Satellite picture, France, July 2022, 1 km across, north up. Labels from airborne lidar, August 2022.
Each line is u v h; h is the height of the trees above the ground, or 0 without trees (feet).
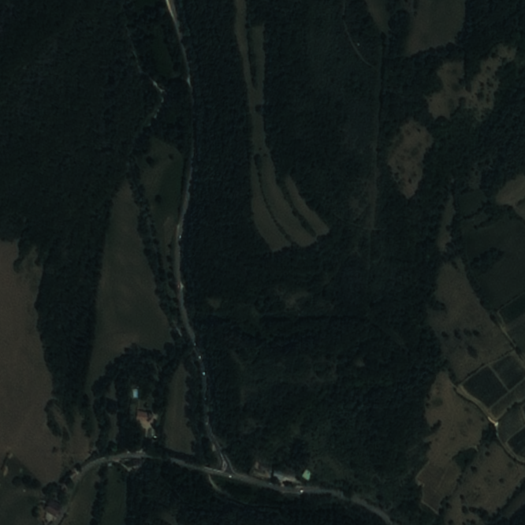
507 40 39
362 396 57
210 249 40
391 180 18
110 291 0
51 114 73
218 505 65
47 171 55
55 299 39
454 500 0
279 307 27
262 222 0
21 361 0
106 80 70
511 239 0
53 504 0
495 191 51
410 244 48
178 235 0
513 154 34
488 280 0
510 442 0
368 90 20
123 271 0
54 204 73
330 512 56
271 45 61
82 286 41
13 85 41
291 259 43
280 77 54
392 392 75
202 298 37
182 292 0
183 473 53
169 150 0
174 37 71
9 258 0
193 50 30
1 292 0
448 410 0
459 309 0
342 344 48
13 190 40
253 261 52
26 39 65
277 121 48
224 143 47
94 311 76
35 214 45
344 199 22
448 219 0
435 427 26
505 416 0
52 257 62
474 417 0
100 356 0
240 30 0
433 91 23
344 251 37
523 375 0
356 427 24
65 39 52
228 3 54
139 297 0
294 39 42
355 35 20
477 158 31
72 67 68
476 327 0
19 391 0
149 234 32
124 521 0
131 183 22
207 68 67
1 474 0
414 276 56
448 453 0
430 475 0
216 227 40
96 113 67
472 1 54
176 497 87
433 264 24
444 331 0
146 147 61
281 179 32
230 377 58
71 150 69
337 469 0
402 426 44
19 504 0
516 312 0
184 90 55
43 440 0
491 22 34
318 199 35
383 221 19
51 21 86
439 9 0
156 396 50
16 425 0
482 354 0
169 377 72
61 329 76
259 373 18
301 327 32
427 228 54
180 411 0
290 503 63
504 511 24
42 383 0
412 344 59
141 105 49
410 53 0
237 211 38
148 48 50
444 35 0
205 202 64
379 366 51
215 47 35
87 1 81
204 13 47
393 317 55
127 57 82
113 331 0
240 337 74
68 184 70
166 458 44
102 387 73
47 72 39
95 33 74
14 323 0
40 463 0
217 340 53
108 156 63
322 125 39
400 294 49
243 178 46
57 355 70
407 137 0
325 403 52
